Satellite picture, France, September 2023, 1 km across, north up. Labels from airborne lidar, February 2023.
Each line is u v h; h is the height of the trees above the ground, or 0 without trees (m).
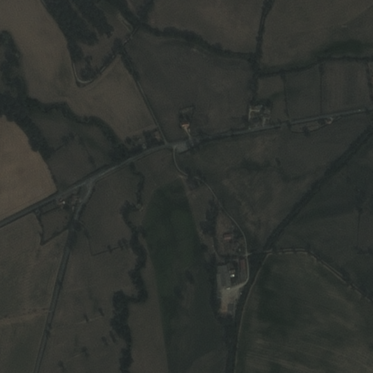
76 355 0
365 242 0
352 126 0
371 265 0
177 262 0
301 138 0
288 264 0
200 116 0
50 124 0
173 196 0
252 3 0
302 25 0
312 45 0
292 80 0
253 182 0
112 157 24
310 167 0
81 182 0
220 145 0
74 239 15
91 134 0
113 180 0
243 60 0
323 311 0
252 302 0
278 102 0
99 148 0
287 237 0
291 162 0
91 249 0
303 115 0
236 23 0
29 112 0
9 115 20
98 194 0
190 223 0
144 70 0
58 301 0
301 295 0
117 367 0
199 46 0
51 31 0
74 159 0
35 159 0
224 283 0
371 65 0
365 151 0
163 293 0
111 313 0
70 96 0
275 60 0
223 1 0
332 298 0
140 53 0
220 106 0
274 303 0
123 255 0
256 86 15
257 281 0
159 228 0
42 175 0
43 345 0
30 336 0
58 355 0
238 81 0
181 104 0
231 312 0
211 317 0
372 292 0
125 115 0
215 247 7
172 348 0
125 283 0
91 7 21
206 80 0
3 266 0
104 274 0
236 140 0
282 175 0
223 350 0
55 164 0
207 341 0
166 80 0
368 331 0
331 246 0
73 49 21
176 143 0
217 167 0
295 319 0
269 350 0
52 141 0
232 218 0
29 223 0
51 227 0
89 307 0
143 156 0
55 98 0
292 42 0
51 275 0
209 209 0
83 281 0
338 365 0
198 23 0
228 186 0
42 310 0
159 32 14
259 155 0
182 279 0
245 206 0
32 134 7
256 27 0
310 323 0
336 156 0
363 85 0
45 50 0
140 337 0
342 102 0
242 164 0
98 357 0
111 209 0
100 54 0
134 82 0
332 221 0
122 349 0
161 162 0
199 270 0
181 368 0
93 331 0
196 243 0
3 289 0
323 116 0
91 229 0
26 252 0
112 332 0
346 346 0
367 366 0
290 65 0
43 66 0
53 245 0
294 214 9
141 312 0
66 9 25
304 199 9
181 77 0
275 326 0
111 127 0
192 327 0
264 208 0
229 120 0
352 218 0
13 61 18
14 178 0
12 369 0
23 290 0
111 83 0
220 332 0
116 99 0
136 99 0
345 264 0
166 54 0
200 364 0
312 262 0
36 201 0
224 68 0
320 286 0
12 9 0
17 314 0
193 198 0
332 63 0
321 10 0
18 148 0
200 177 17
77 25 24
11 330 0
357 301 0
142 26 10
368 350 0
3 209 0
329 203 0
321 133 0
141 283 20
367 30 0
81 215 9
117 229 0
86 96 0
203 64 0
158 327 0
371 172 0
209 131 0
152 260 0
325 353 0
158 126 0
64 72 0
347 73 0
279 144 0
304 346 0
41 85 0
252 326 0
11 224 0
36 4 0
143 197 0
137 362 0
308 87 0
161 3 0
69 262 0
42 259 0
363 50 0
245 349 0
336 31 0
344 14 0
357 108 0
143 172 0
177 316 0
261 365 0
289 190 0
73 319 0
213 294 9
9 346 0
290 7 0
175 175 0
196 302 0
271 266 0
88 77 12
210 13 0
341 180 0
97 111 0
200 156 0
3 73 17
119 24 0
